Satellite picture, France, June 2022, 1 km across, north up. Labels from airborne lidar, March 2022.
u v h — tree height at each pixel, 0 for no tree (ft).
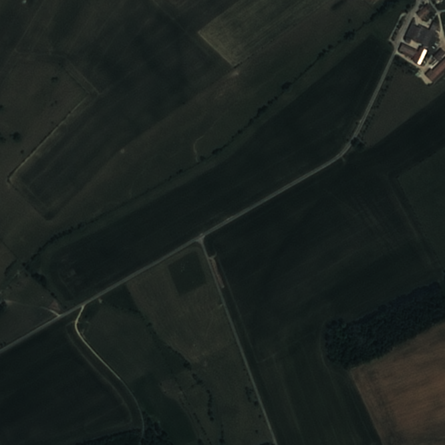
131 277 0
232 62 0
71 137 0
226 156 0
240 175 0
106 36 0
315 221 0
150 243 0
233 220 0
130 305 0
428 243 0
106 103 0
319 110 0
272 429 0
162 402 0
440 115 0
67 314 0
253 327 0
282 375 0
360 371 0
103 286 0
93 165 0
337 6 0
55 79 24
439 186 0
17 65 0
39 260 0
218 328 0
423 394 0
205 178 0
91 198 0
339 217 0
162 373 0
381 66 0
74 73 0
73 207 0
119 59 0
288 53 0
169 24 0
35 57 0
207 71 0
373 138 0
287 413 0
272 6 0
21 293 0
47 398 0
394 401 0
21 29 0
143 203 0
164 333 0
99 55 0
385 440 0
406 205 0
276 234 0
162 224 0
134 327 0
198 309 0
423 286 0
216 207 0
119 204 0
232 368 0
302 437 0
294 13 0
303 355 0
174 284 0
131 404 0
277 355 0
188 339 0
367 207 0
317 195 0
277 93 0
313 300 0
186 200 0
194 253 0
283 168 0
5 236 0
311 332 0
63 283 0
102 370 0
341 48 0
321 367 0
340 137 0
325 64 0
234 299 0
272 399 0
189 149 0
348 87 0
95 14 0
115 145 0
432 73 0
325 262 0
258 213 0
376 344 67
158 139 0
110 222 0
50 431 0
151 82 0
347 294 0
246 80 0
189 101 0
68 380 0
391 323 72
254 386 0
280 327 0
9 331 0
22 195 0
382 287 0
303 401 0
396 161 0
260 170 0
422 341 0
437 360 0
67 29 0
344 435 0
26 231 0
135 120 0
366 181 0
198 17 0
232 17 0
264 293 0
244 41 0
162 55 0
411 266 0
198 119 0
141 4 0
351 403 0
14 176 0
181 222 0
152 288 0
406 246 0
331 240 0
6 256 0
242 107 0
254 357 0
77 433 0
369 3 0
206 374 0
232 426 0
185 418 0
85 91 0
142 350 0
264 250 0
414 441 0
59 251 0
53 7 0
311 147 0
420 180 0
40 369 0
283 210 0
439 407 0
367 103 0
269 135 0
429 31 0
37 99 0
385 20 0
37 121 0
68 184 0
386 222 0
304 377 0
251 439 0
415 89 0
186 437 0
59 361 0
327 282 0
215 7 0
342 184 0
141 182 0
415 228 0
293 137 0
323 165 0
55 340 0
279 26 0
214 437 0
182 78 0
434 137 0
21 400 0
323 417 0
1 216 0
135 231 0
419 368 0
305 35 0
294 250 0
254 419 0
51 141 0
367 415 0
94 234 0
